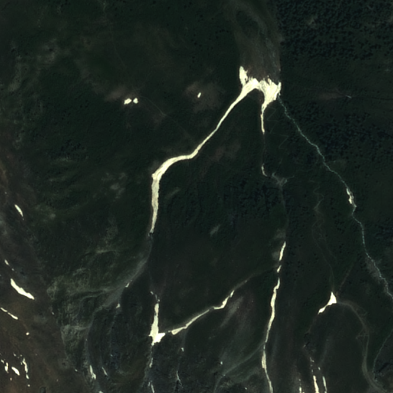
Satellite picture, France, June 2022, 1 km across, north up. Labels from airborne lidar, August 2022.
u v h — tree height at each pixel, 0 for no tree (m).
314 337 0
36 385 0
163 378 0
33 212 0
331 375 0
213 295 0
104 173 0
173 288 0
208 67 0
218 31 7
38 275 0
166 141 0
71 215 0
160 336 0
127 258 0
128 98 0
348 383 0
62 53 0
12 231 0
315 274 0
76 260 0
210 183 6
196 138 0
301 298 0
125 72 0
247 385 0
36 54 0
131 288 0
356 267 0
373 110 0
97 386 0
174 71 0
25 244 0
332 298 0
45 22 0
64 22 0
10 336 0
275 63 0
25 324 0
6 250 0
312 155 10
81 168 0
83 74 0
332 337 0
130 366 0
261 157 6
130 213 0
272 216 8
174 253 0
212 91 0
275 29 0
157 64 0
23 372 0
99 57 0
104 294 0
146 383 0
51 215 0
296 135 7
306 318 0
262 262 0
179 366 0
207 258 0
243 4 0
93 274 0
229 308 0
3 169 0
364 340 0
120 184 0
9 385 0
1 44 0
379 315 0
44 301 0
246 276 0
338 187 6
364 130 11
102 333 0
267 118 0
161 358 0
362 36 0
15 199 0
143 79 0
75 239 0
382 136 12
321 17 17
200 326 0
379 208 0
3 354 0
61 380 0
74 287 0
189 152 0
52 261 0
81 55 0
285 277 0
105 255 0
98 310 0
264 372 0
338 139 12
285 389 0
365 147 0
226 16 0
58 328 0
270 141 0
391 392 0
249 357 0
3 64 0
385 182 0
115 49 0
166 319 0
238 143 0
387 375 0
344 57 12
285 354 0
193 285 0
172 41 0
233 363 0
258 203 13
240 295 0
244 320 0
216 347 0
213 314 0
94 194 0
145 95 0
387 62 0
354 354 0
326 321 0
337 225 6
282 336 0
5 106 0
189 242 0
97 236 0
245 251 0
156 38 0
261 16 0
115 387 0
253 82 0
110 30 0
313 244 0
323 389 0
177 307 0
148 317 0
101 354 0
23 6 0
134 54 0
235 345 0
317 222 0
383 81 0
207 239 0
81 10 5
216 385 0
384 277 0
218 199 6
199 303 0
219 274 0
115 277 0
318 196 0
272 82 0
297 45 14
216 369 0
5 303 0
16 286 0
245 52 0
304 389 0
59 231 0
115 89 0
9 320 0
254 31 0
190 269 0
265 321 0
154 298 0
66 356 0
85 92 5
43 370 0
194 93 0
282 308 0
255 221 0
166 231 0
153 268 0
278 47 0
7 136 0
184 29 7
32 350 0
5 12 0
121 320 0
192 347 0
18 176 0
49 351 0
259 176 5
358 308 0
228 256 0
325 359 0
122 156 0
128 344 0
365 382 0
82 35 0
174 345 0
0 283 0
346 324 0
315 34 14
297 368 0
